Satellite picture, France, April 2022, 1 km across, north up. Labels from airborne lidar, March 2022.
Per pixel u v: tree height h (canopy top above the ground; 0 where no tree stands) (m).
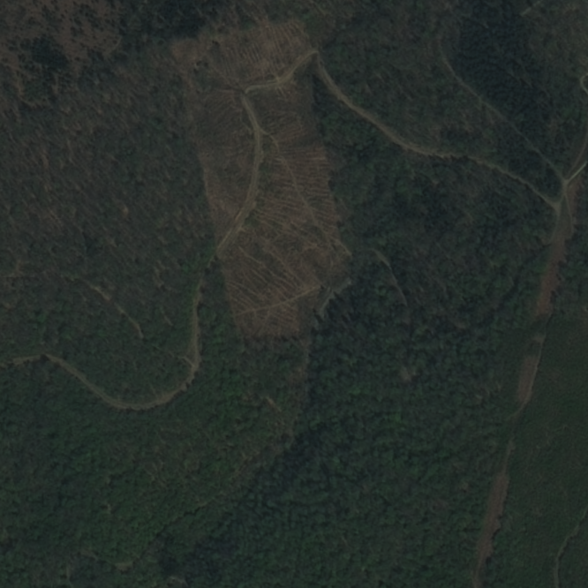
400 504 24
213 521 22
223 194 0
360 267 21
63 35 0
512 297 12
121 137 26
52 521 23
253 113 0
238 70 0
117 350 20
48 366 31
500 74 32
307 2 33
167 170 25
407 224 17
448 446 29
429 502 24
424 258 30
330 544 25
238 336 32
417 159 26
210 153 0
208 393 25
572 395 11
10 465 33
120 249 24
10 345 25
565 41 31
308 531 25
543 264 27
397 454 15
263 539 18
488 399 21
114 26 7
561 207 0
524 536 8
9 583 14
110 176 23
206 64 0
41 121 22
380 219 29
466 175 31
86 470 23
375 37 32
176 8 25
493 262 25
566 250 0
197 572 25
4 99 27
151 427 25
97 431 21
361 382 30
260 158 0
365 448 29
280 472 26
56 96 9
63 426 26
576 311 24
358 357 29
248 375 31
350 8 34
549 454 12
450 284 29
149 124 26
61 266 26
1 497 30
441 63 22
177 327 26
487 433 25
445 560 23
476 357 25
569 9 24
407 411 28
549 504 10
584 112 17
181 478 24
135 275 19
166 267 30
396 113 25
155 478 22
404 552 27
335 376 34
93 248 27
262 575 21
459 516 22
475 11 25
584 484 13
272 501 29
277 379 21
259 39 0
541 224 16
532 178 7
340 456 26
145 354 23
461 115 26
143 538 19
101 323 25
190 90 0
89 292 28
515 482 7
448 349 28
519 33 29
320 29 14
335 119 30
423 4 32
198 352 0
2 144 20
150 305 21
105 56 0
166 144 17
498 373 25
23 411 22
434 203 18
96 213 23
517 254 29
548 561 8
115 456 21
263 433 31
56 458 22
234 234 0
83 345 25
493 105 25
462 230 28
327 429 17
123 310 29
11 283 16
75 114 23
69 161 29
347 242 28
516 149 30
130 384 24
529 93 29
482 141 26
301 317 0
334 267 0
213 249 32
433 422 28
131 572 16
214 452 26
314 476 32
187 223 28
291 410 25
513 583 11
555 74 28
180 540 19
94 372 27
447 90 25
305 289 0
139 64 24
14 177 23
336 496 28
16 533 32
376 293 28
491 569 19
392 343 27
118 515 21
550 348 10
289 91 0
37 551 29
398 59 25
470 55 33
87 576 14
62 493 15
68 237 27
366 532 23
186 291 29
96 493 25
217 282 31
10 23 0
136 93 20
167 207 24
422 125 28
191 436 27
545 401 8
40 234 29
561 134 7
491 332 30
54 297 30
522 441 9
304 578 25
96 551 19
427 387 22
